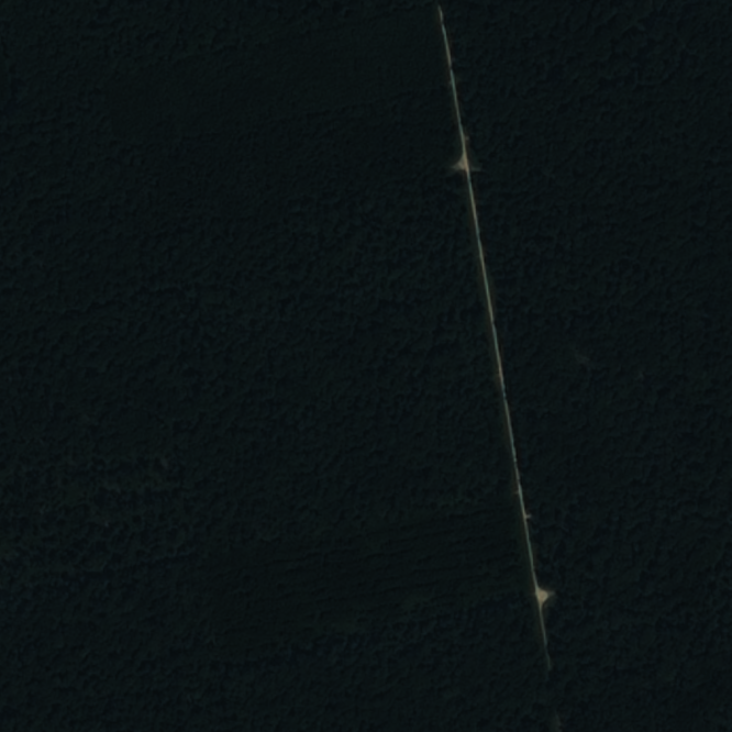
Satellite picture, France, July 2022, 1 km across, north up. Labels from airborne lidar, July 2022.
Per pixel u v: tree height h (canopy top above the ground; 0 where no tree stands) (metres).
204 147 18
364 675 25
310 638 7
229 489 27
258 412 24
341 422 22
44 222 24
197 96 12
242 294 21
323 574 9
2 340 24
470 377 16
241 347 24
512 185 22
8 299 24
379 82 14
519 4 26
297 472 25
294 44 19
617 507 20
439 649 19
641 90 25
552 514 25
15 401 24
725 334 19
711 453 26
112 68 17
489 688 22
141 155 15
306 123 13
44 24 19
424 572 8
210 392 27
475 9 24
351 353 24
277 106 12
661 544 22
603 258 26
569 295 25
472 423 27
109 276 25
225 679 29
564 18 7
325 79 14
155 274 24
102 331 17
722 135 24
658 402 25
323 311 25
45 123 23
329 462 18
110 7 22
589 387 24
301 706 21
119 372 27
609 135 17
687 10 25
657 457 28
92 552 24
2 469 20
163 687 19
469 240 23
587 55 24
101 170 23
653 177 24
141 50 22
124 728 11
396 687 25
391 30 13
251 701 24
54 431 26
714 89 21
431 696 24
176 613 26
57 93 19
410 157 19
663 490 19
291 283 25
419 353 25
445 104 19
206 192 17
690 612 21
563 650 28
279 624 10
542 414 25
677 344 22
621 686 24
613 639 29
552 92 21
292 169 19
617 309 21
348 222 11
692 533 18
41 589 19
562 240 24
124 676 26
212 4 28
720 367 26
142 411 27
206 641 19
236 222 17
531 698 18
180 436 25
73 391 27
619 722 21
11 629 26
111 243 25
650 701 22
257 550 11
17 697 24
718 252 28
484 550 8
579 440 20
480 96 23
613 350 24
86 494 8
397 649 14
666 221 25
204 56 13
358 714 24
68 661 26
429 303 27
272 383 24
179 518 10
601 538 21
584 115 20
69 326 23
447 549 9
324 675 26
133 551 20
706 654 21
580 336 25
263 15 26
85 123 23
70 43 22
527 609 23
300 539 9
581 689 19
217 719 23
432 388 24
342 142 16
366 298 19
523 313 20
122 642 24
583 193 21
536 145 27
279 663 28
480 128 25
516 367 24
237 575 11
